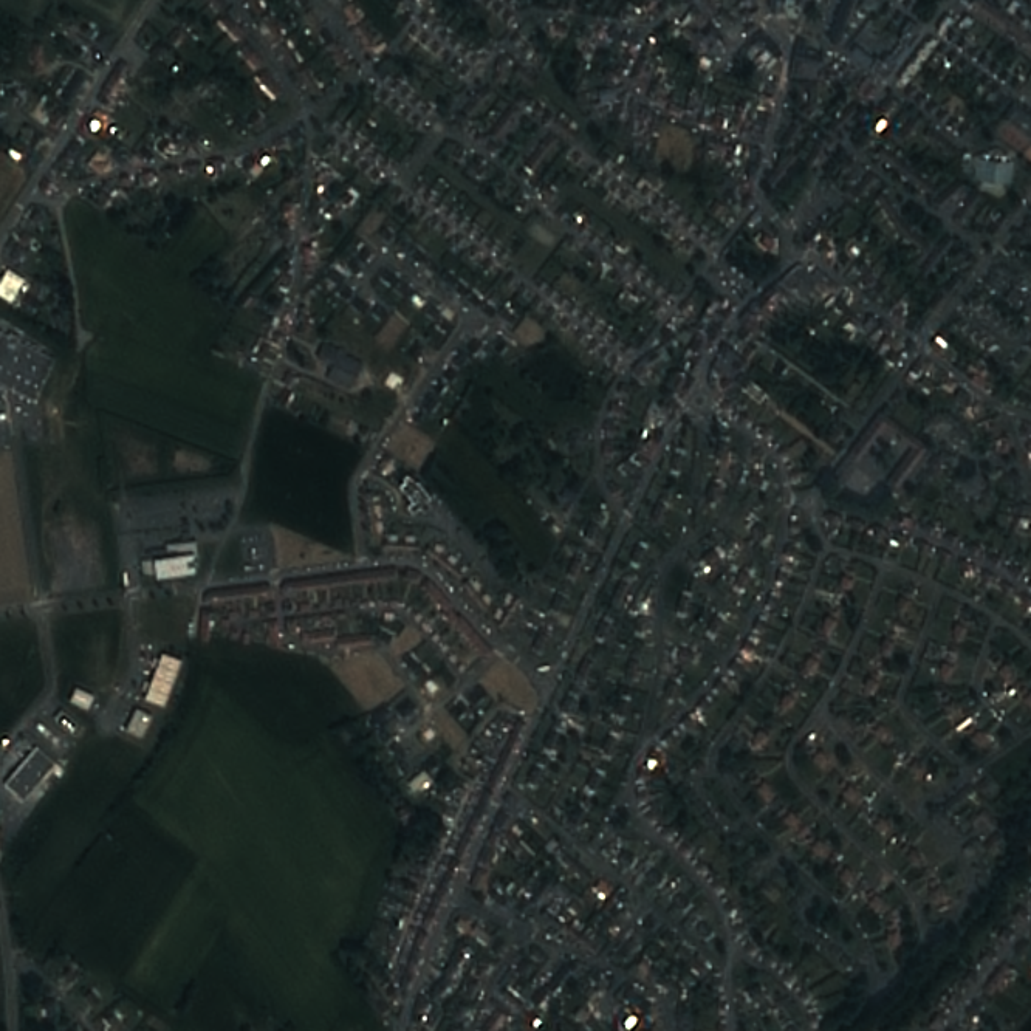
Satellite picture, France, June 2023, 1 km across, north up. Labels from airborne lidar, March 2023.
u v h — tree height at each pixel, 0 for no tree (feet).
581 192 0
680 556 0
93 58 0
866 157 0
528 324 0
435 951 0
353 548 0
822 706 0
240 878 0
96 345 0
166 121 28
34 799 0
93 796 0
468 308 0
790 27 0
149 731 0
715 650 0
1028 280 0
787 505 0
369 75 0
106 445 0
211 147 0
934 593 0
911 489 46
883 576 0
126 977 0
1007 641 0
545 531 0
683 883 0
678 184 0
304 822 0
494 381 0
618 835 0
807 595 0
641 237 0
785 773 0
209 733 0
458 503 0
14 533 0
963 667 0
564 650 0
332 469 0
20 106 0
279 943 0
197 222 0
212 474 0
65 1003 0
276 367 0
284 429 0
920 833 0
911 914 29
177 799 0
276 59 0
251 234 0
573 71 28
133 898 0
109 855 0
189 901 0
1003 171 0
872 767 0
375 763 34
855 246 0
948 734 0
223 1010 0
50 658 0
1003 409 0
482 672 0
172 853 0
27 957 0
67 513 0
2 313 0
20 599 0
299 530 0
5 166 0
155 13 0
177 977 0
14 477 0
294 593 0
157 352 0
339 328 0
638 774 0
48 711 0
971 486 0
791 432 0
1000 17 0
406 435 0
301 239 0
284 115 0
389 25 0
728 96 0
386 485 0
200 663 0
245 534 0
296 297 0
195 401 0
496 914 0
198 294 0
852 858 0
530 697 0
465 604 0
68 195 0
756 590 0
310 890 0
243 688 0
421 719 0
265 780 0
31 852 0
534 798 0
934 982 34
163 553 0
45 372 0
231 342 0
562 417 0
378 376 0
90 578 0
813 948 17
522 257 0
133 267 0
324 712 0
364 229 0
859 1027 38
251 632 0
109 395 0
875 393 0
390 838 0
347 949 44
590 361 0
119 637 0
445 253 0
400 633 0
